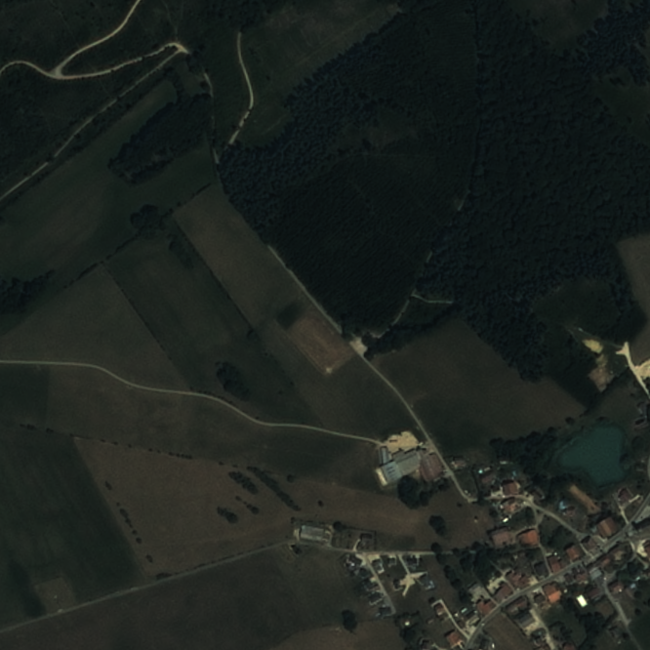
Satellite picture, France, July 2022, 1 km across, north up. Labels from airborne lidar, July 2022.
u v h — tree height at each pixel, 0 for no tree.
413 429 0
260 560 0
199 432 0
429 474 0
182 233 6
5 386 0
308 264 5
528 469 20
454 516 0
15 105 9
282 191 15
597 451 0
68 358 0
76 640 0
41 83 7
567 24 0
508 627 0
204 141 28
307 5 0
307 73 0
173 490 0
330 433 0
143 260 0
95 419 0
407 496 24
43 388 0
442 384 0
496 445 14
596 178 26
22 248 0
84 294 0
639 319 8
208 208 0
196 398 0
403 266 6
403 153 7
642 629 0
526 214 20
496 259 26
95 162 0
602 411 0
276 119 0
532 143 26
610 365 0
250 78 0
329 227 7
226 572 0
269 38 0
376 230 9
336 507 0
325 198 7
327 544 0
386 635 0
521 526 0
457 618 0
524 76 24
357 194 10
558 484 20
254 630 0
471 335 0
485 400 0
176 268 0
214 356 0
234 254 0
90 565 0
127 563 0
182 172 0
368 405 0
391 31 12
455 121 9
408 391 0
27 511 0
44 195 0
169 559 0
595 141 24
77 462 0
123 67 6
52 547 0
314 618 0
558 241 24
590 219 26
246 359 0
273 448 0
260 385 0
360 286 8
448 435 0
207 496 0
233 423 0
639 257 0
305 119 21
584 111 17
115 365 0
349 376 0
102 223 0
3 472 0
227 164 26
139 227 16
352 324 14
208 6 6
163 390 0
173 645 0
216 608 0
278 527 0
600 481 0
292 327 0
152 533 0
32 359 0
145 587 0
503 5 25
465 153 10
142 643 0
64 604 0
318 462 0
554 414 0
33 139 13
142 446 0
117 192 0
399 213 6
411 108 6
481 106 8
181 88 17
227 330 0
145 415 0
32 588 0
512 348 27
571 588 6
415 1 20
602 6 0
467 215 15
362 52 23
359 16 0
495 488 6
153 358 0
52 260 0
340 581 0
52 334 0
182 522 0
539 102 23
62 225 0
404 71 12
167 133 25
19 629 0
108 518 0
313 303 0
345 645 0
